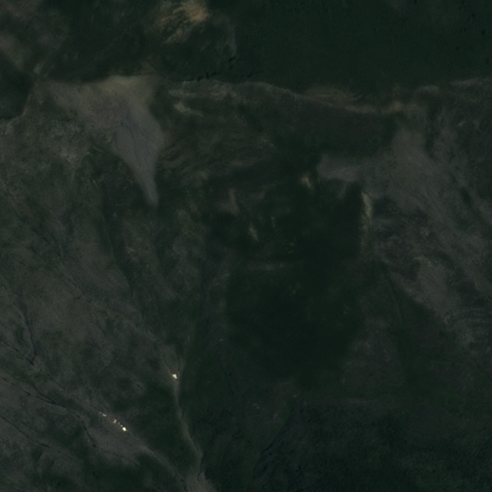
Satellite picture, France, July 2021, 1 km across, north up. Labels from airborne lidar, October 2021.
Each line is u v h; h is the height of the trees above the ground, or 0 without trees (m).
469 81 0
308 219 0
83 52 0
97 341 0
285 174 0
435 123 0
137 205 0
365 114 0
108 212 0
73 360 0
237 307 0
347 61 0
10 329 0
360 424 6
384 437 8
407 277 0
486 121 0
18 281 0
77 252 0
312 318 0
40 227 0
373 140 0
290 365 0
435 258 0
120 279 0
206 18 0
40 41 0
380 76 0
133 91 0
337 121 0
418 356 0
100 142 0
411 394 0
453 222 0
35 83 0
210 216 0
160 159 0
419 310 0
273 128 0
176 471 0
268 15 0
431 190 0
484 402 0
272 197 0
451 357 0
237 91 0
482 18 0
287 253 0
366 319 0
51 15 0
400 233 0
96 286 0
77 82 0
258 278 0
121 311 0
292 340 0
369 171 0
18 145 0
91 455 0
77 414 0
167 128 0
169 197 0
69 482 0
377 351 0
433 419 0
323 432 7
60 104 0
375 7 0
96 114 0
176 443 0
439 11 0
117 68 0
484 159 0
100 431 0
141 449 0
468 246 0
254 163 0
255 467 0
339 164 0
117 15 0
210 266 0
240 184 0
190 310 0
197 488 0
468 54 0
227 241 0
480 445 5
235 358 0
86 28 0
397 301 0
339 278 0
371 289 0
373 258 0
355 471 7
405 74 0
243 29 0
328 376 0
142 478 0
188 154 0
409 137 0
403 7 0
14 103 0
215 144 0
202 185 0
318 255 0
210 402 0
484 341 0
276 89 0
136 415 0
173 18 0
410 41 0
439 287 0
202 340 0
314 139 0
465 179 0
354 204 0
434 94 0
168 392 0
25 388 0
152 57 0
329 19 0
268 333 0
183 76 0
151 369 0
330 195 0
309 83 0
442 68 0
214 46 0
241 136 0
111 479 0
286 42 0
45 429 0
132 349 0
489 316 0
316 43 0
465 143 0
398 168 0
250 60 0
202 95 0
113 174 0
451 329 0
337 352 0
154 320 0
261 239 0
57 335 0
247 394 0
